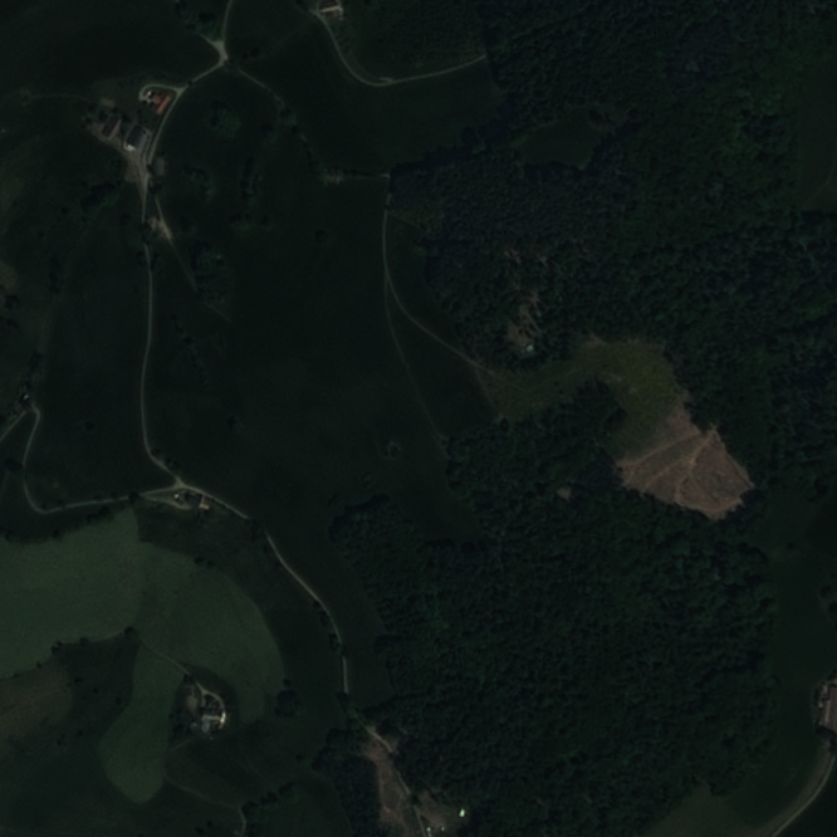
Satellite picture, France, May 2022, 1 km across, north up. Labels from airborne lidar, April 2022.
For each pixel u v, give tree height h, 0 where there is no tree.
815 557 0
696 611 36
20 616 0
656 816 21
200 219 0
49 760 0
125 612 0
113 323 0
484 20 26
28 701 0
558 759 11
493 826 26
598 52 27
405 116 0
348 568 0
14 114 0
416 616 15
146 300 0
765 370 18
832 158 0
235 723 0
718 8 20
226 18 0
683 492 0
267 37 0
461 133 0
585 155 0
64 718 0
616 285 28
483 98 0
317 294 0
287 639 0
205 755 0
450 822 0
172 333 0
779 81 28
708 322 31
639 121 14
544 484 29
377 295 0
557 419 15
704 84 28
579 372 0
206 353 0
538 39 28
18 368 0
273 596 0
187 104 0
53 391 0
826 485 18
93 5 0
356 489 0
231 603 0
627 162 25
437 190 16
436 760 20
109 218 0
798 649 0
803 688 0
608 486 25
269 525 0
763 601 27
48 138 0
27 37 0
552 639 21
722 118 26
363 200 0
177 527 0
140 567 0
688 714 26
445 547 17
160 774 0
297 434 0
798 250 19
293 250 0
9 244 0
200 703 0
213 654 0
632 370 0
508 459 19
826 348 7
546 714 18
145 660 0
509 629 19
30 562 0
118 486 0
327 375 0
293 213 0
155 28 0
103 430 0
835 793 0
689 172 22
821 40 25
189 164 0
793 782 0
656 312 29
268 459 0
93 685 0
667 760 29
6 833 0
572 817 26
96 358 0
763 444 17
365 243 0
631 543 26
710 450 0
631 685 15
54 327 0
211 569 7
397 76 0
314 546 0
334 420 0
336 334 0
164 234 0
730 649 17
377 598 16
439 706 17
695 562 39
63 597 0
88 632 0
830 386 37
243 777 0
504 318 16
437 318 0
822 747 0
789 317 21
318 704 0
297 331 0
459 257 29
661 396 0
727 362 14
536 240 23
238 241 0
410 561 19
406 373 0
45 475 0
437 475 0
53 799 0
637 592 25
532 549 21
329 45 0
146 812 0
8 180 0
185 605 0
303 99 0
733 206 29
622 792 23
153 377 0
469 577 22
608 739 17
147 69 0
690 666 17
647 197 22
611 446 0
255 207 0
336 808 0
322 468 0
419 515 0
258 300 0
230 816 0
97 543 0
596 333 19
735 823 0
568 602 17
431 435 0
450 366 0
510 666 23
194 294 0
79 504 0
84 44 0
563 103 17
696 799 0
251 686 0
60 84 0
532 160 0
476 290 12
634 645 11
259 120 0
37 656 0
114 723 0
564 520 20
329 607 0
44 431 0
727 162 28
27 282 0
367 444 0
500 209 24
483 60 0
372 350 0
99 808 0
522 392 0
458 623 22
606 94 22
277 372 0
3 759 0
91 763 0
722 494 0
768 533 0
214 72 0
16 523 0
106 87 0
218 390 0
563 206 26
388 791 0
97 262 0
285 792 12
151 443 0
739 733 33
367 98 0
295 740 0
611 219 25
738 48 27
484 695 19
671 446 0
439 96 0
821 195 0
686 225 23
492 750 18
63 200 0
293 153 0
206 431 0
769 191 32
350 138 0
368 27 0
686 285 35
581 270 22
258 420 0
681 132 22
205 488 0
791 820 0
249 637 0
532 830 30
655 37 18
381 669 0
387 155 0
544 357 14
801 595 0
